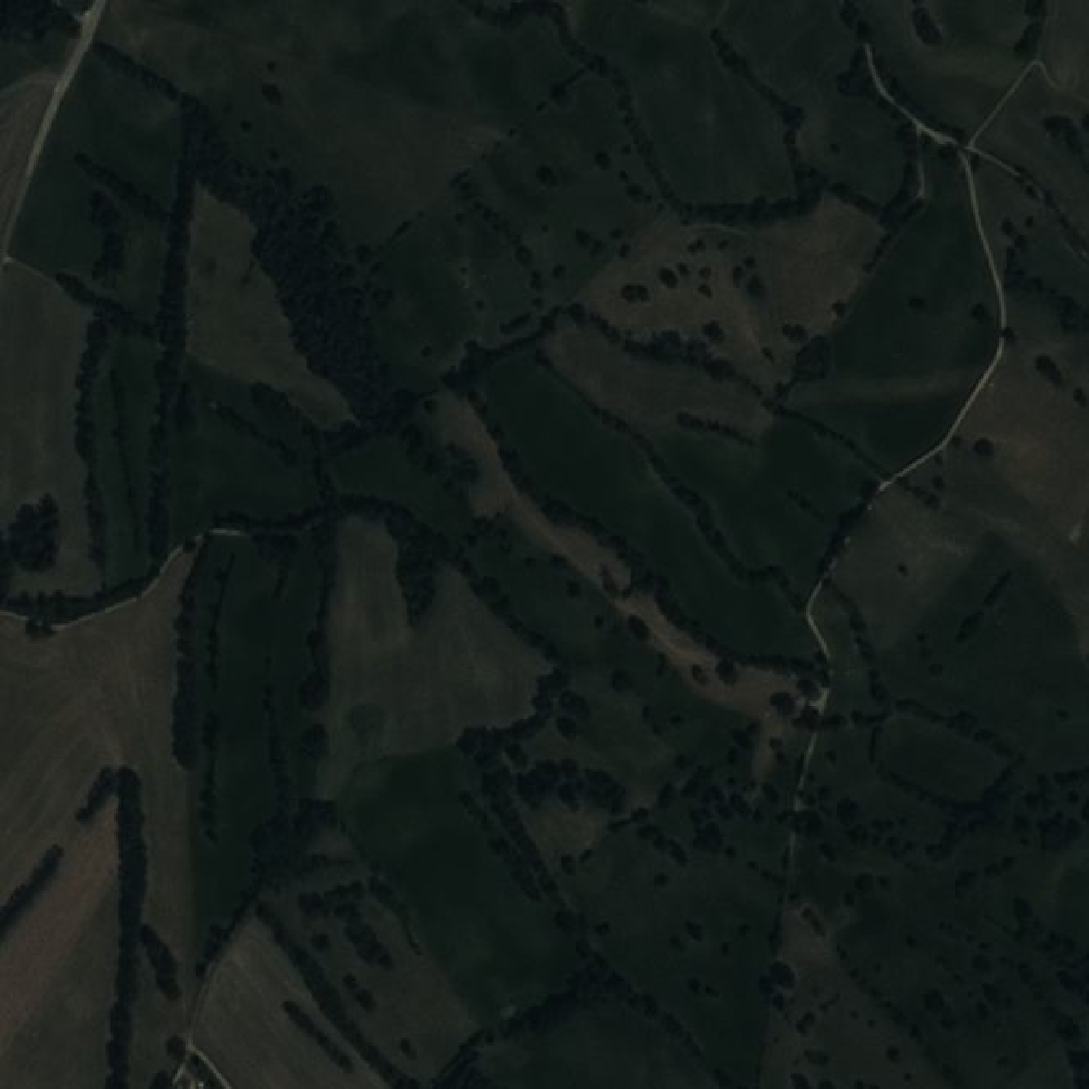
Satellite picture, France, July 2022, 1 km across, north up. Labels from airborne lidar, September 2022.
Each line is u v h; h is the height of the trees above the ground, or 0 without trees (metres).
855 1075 0
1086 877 0
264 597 0
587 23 0
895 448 0
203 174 18
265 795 0
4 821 0
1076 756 0
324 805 13
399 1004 0
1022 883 0
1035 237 0
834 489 0
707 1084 0
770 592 0
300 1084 0
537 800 14
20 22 15
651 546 0
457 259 0
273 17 0
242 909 8
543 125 0
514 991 0
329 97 0
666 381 0
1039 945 5
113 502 0
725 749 0
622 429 13
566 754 0
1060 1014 7
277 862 18
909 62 0
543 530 0
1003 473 0
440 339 0
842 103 0
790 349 0
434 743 0
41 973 0
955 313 0
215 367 0
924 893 0
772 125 0
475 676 0
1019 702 0
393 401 22
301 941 0
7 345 0
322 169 0
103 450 0
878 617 0
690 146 0
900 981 0
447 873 0
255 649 0
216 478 0
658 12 0
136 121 0
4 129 0
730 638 0
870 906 0
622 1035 0
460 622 0
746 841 0
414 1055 12
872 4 0
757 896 0
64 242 0
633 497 0
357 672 0
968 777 0
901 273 0
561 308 8
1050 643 0
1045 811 9
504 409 0
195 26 0
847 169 0
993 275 0
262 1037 0
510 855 21
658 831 9
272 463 0
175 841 0
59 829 0
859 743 0
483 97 0
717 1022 0
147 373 0
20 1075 0
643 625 23
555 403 0
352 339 27
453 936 0
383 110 0
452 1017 0
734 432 10
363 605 0
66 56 0
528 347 7
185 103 15
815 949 0
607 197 0
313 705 19
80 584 0
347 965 0
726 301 0
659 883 6
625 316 0
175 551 0
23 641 0
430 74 0
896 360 0
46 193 0
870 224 0
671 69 0
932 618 0
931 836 0
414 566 22
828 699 0
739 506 0
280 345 0
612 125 0
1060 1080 0
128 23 0
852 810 19
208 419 0
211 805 19
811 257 0
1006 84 0
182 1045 17
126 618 0
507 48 0
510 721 0
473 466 12
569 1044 0
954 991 0
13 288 0
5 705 0
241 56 0
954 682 0
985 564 0
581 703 18
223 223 0
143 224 0
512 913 0
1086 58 0
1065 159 0
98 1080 0
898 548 0
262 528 10
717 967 0
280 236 15
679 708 0
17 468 0
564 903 14
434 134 0
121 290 0
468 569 22
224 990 0
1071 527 0
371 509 20
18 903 16
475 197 7
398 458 0
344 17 0
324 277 21
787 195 0
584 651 0
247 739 0
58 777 0
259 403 14
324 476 15
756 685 0
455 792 0
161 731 0
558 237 0
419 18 0
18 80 0
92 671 0
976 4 0
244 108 0
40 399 0
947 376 0
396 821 0
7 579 9
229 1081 0
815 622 0
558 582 0
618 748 0
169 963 24
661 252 0
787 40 0
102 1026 0
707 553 0
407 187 0
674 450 0
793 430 0
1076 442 0
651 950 0
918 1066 0
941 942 0
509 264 0
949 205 0
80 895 0
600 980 21
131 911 18
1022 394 0
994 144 0
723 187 0
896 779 8
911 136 18
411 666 0
